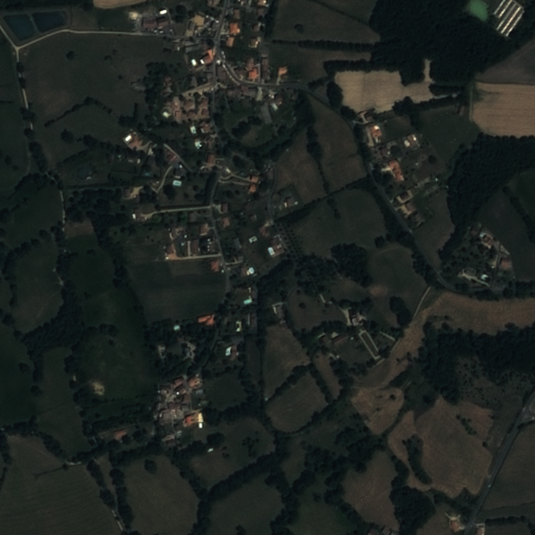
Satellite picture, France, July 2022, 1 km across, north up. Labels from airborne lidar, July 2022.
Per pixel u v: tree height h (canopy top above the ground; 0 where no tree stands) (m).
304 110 8
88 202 17
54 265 0
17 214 0
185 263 0
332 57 0
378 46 16
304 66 0
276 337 0
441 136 0
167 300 0
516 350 29
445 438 0
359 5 0
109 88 0
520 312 0
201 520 21
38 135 0
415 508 21
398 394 0
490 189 19
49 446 19
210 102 7
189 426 0
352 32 0
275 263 0
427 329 22
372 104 0
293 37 0
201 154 6
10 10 13
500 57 16
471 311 0
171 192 24
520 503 0
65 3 5
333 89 25
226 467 0
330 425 0
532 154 15
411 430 0
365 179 7
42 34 0
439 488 0
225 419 18
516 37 17
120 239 0
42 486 0
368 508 0
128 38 0
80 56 0
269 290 20
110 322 0
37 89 0
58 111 0
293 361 0
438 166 0
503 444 0
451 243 15
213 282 0
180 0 0
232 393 0
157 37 0
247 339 8
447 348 24
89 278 0
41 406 0
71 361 23
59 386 0
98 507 0
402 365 0
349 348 0
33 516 0
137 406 9
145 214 0
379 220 0
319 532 0
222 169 0
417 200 0
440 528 0
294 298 0
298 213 8
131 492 0
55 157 0
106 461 0
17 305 9
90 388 0
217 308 0
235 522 0
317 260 28
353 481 0
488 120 0
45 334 21
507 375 9
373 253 0
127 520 19
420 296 0
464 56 21
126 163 0
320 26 0
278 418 0
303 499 0
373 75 0
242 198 0
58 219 0
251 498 0
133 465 0
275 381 0
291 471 0
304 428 8
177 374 9
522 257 0
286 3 0
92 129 0
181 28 0
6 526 0
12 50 0
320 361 0
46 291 0
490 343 32
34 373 8
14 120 0
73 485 0
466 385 6
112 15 0
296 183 0
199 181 0
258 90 8
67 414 0
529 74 0
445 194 0
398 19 22
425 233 0
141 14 0
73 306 17
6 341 0
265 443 0
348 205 0
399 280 0
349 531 0
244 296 0
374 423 0
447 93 16
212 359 22
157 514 0
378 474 0
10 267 22
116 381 0
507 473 0
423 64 17
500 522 11
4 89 0
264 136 0
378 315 0
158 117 0
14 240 0
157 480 0
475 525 0
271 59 0
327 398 12
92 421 10
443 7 26
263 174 8
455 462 0
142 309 10
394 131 0
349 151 0
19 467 0
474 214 14
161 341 18
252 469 20
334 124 0
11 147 0
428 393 0
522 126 0
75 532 0
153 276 0
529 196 0
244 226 10
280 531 19
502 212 0
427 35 23
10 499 0
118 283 22
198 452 21
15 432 14
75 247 0
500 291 0
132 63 0
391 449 0
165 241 0
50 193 0
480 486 0
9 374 0
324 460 22
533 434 0
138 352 0
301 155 0
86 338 25
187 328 10
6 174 0
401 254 0
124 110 0
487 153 21
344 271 18
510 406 0
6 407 0
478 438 0
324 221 0
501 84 0
